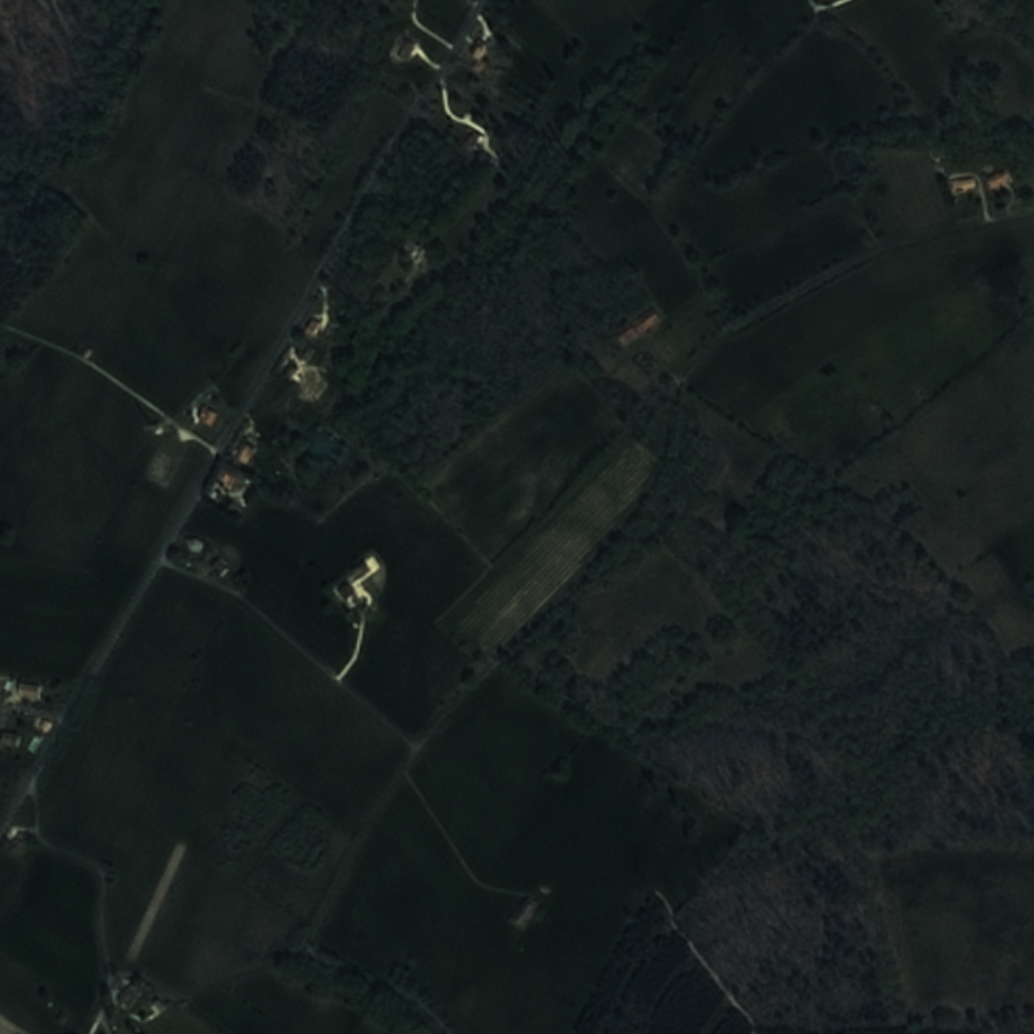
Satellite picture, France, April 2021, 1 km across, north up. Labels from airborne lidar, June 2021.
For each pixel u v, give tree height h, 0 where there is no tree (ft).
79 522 0
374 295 36
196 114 0
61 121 53
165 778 0
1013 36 35
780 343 0
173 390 0
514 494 0
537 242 61
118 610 0
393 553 0
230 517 33
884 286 0
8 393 0
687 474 63
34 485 0
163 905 0
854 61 0
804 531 34
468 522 0
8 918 0
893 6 0
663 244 0
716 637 41
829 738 61
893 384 0
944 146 47
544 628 52
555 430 0
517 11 0
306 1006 0
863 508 52
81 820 0
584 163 61
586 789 0
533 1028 0
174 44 0
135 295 0
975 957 0
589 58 0
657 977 31
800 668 65
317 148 57
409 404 49
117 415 0
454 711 0
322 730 0
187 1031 0
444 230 62
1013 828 80
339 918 0
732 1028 31
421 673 0
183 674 0
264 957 0
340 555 0
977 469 0
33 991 0
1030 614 0
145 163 0
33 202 41
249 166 48
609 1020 50
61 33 59
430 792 0
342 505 0
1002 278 0
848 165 0
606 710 46
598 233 0
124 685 0
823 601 42
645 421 48
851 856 41
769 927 52
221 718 0
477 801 0
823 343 0
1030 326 26
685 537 48
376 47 52
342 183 0
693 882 0
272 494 59
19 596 0
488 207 0
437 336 52
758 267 0
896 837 52
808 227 0
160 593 0
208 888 0
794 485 49
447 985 0
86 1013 0
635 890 0
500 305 56
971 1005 0
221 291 0
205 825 0
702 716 61
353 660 0
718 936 31
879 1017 51
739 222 0
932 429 0
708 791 29
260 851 0
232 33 0
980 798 44
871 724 63
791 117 0
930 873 0
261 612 0
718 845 0
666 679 52
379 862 0
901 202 0
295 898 0
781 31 0
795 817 70
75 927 0
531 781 0
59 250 54
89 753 0
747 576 74
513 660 41
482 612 0
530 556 0
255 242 0
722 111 44
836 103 0
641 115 47
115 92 46
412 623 0
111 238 0
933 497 0
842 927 55
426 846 0
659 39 0
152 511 0
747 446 0
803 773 73
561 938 0
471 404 28
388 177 52
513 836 0
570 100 0
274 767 0
